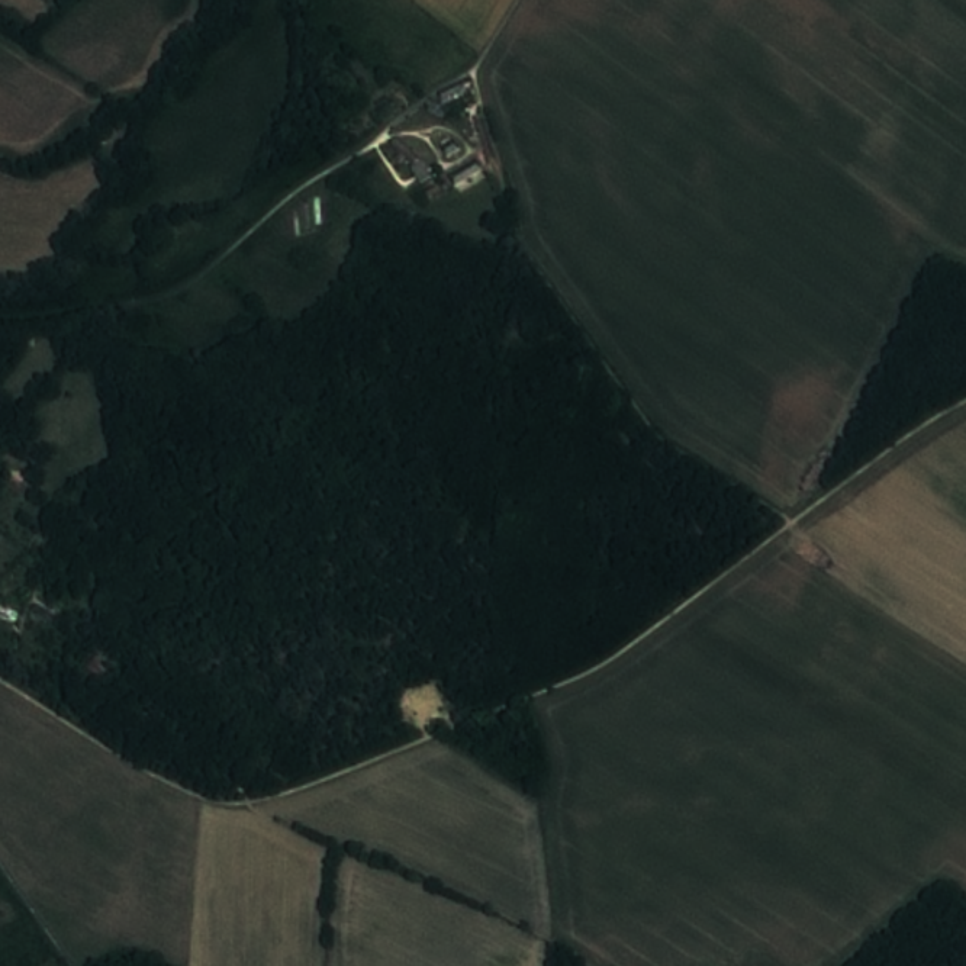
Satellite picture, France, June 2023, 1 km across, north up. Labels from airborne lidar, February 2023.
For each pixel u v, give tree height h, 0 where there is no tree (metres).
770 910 0
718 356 0
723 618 0
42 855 0
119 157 15
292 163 16
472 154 0
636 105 0
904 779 0
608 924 0
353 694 17
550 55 0
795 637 0
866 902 0
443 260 19
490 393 17
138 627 22
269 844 0
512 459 11
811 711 0
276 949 0
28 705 0
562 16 0
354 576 19
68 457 0
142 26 0
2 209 0
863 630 0
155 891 0
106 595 19
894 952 13
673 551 20
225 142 0
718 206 0
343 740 22
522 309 19
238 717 15
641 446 17
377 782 0
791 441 0
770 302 0
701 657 0
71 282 24
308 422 23
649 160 0
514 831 0
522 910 0
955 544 0
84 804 0
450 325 15
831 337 0
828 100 0
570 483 14
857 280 0
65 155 19
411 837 0
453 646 14
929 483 0
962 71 0
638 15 0
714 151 0
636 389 0
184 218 16
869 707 0
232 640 24
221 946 0
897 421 23
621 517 15
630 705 0
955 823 0
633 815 0
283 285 0
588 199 0
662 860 0
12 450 26
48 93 0
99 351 18
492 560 15
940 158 0
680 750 0
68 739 0
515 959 0
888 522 0
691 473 18
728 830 0
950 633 0
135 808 0
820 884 0
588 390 11
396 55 0
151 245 17
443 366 15
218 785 18
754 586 0
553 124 0
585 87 0
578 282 0
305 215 0
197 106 0
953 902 17
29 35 17
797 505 0
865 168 0
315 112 18
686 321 0
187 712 19
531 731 17
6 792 0
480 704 11
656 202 0
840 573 0
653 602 15
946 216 0
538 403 19
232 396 19
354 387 6
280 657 23
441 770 0
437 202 0
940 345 25
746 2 0
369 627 19
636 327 0
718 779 0
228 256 0
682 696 0
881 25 0
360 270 12
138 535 22
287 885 0
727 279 0
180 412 18
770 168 0
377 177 0
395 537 17
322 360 18
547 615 12
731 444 0
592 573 13
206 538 22
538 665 16
